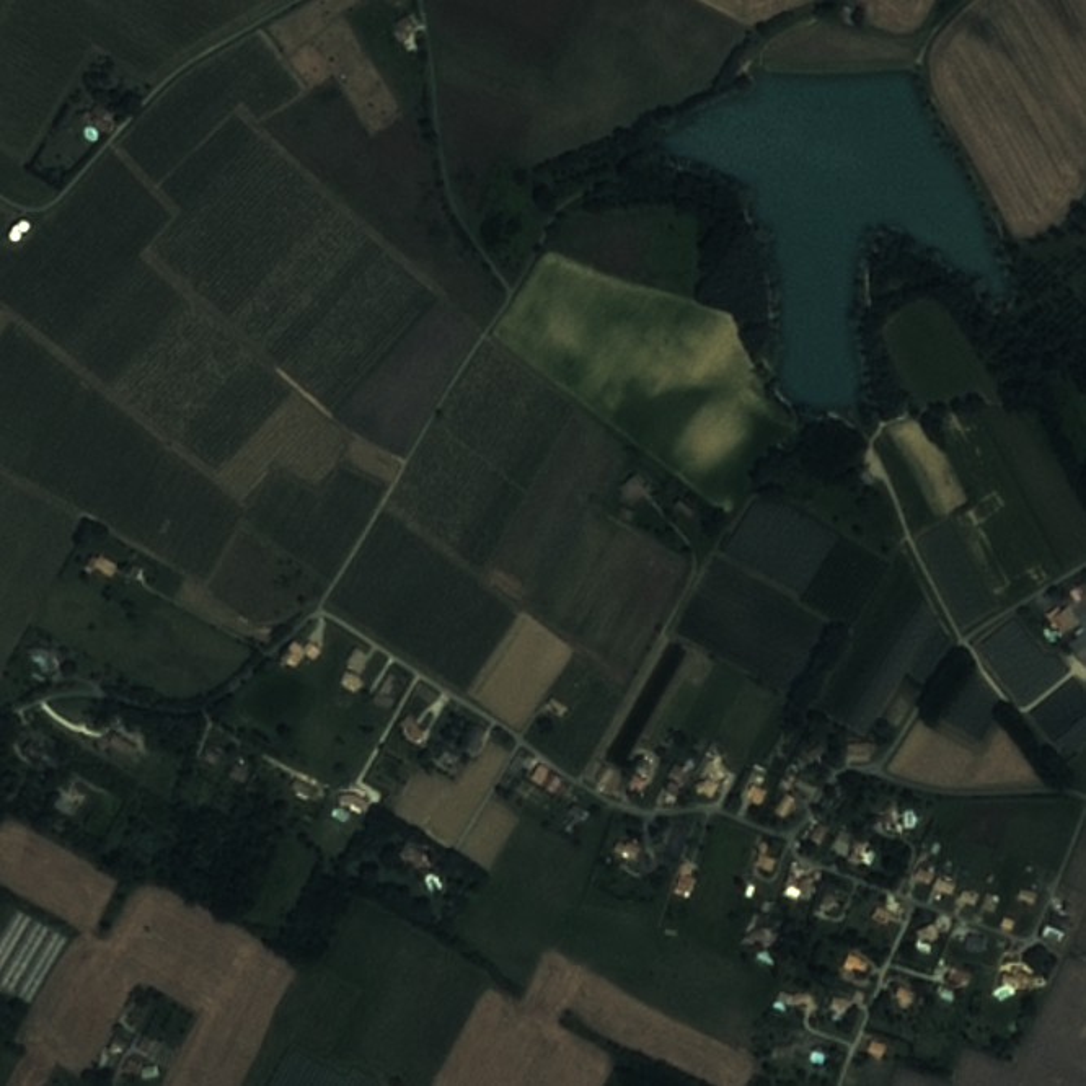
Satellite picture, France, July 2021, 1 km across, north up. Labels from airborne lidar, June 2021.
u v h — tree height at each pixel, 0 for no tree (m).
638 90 0
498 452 0
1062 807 0
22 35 0
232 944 0
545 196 20
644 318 0
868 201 0
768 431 0
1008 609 0
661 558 0
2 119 0
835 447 13
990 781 0
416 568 0
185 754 15
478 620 0
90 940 0
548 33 0
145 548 0
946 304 14
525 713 0
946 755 0
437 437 0
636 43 0
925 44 0
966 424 0
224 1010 0
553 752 0
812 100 0
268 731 0
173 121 0
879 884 14
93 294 0
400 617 0
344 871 13
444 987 0
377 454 0
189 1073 0
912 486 0
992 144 0
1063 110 0
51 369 0
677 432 0
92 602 0
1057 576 0
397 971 0
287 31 0
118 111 9
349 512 0
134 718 8
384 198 0
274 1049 0
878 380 11
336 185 0
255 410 0
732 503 0
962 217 0
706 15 0
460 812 0
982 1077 0
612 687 0
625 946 0
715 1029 0
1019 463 0
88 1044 0
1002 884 0
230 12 0
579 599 0
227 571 0
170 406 0
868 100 0
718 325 0
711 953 0
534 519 0
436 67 0
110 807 0
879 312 12
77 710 0
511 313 0
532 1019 0
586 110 0
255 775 7
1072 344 9
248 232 0
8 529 0
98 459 0
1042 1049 0
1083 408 0
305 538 0
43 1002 0
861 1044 0
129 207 0
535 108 0
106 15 0
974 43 0
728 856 0
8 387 0
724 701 0
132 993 6
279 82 0
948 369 0
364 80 0
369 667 0
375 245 0
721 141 0
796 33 0
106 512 0
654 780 0
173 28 0
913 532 0
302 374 0
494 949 0
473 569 0
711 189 11
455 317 0
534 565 0
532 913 0
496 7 0
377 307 0
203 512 0
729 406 0
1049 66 0
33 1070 0
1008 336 14
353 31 0
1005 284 0
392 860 15
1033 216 0
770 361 17
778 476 8
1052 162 0
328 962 0
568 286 0
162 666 0
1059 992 0
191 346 0
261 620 0
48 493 0
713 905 0
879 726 9
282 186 0
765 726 0
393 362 0
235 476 0
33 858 0
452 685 0
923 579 0
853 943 8
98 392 0
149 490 0
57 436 0
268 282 0
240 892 8
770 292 9
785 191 0
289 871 0
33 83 0
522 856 0
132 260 0
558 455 0
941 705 17
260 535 0
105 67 6
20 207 0
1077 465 14
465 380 0
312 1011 0
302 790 0
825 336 0
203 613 0
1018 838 0
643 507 0
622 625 0
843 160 0
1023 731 17
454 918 12
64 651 7
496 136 0
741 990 0
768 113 0
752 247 15
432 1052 0
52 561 0
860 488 10
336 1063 0
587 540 0
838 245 0
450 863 15
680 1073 9
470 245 8
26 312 0
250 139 0
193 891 17
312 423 0
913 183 0
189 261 0
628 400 0
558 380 0
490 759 0
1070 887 0
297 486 0
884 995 10
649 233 0
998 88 0
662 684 0
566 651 0
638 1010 0
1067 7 0
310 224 0
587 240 0
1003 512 0
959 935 0
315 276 0
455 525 0
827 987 10
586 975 0
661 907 0
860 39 0
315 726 0
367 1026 0
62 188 8
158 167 0
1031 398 14
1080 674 0
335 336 0
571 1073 0
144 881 16
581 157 9
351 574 0
